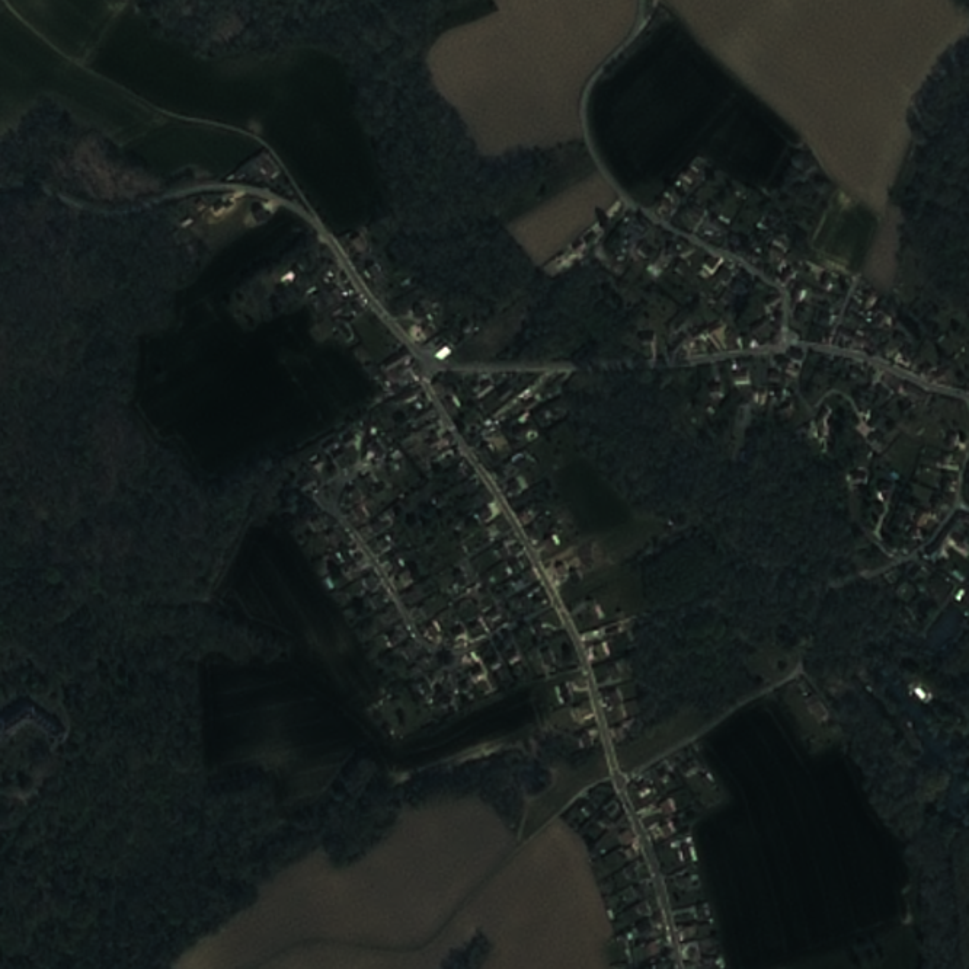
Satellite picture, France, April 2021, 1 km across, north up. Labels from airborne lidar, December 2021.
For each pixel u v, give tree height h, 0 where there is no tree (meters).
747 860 0
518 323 0
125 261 20
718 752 0
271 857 29
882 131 0
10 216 24
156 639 9
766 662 0
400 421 9
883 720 24
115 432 28
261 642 17
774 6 0
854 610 23
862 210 0
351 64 18
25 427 20
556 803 0
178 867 25
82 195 19
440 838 0
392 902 0
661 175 0
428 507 19
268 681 0
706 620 25
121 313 26
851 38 0
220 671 0
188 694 26
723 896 0
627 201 0
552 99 0
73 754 17
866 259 0
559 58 0
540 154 6
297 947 0
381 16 28
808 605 24
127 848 22
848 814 0
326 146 0
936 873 13
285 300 16
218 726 0
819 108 0
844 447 13
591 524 0
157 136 0
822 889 0
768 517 20
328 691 0
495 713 0
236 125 0
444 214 35
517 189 29
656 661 22
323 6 11
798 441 21
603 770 0
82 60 0
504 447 0
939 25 0
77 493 23
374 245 8
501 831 0
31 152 21
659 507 14
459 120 25
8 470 17
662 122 0
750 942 0
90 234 18
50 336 22
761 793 0
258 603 0
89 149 0
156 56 0
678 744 0
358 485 0
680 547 15
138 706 26
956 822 17
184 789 12
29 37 0
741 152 0
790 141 0
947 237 17
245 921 0
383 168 19
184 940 20
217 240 0
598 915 0
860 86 0
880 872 0
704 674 20
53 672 25
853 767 0
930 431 0
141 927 25
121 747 23
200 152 0
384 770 0
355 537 0
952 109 17
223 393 0
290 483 8
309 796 0
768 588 25
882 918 0
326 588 0
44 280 26
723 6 0
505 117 0
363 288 0
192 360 0
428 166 30
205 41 25
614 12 0
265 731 0
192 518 28
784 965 0
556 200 0
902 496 9
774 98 0
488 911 0
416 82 27
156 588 16
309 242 17
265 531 0
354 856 18
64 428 21
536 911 0
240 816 30
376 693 0
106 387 24
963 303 22
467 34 0
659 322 0
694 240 0
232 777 0
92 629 21
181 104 0
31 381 13
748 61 0
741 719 0
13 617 26
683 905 0
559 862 0
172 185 12
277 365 0
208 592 13
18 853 21
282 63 0
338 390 0
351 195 0
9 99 0
